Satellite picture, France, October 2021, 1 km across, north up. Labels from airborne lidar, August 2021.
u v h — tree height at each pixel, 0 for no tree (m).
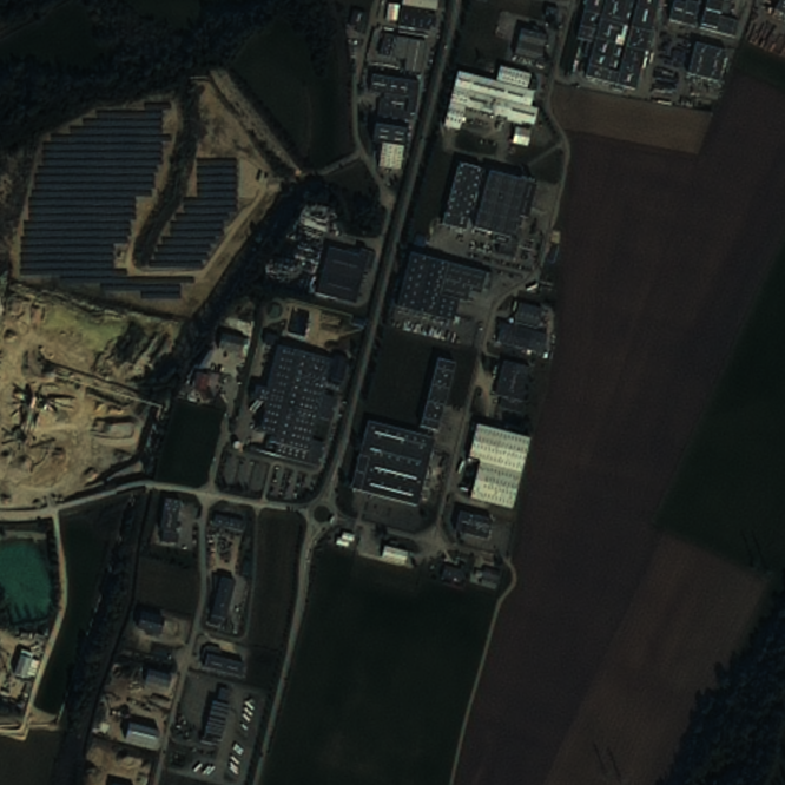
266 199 0
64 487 0
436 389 0
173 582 0
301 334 0
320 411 0
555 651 0
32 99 19
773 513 0
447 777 0
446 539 0
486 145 0
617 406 0
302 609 0
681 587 0
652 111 0
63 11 0
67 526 0
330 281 0
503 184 0
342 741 0
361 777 0
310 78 0
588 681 0
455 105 0
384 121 0
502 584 0
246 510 0
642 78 0
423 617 0
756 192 0
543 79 0
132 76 7
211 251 0
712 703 9
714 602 0
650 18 0
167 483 0
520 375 0
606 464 0
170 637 0
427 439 0
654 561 0
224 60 13
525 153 0
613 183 0
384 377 0
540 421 0
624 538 0
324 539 0
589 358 0
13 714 11
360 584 0
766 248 0
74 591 0
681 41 0
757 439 0
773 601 0
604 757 0
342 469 0
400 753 0
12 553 0
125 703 0
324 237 0
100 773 0
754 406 0
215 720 0
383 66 0
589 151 0
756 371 0
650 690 0
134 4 0
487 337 0
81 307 0
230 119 0
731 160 0
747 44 0
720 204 0
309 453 0
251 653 0
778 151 0
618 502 0
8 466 0
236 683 0
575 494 0
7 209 0
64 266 0
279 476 0
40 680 0
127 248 0
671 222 0
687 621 0
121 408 0
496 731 0
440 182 0
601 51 0
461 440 0
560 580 0
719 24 0
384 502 0
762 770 22
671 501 0
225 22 23
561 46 0
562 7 0
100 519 0
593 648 0
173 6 0
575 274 0
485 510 0
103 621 12
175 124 0
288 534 0
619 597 0
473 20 0
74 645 0
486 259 0
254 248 8
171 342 0
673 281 0
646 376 0
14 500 0
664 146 0
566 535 0
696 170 0
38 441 0
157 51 7
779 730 15
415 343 0
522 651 0
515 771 0
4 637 0
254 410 0
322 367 0
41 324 0
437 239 0
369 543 0
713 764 21
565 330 0
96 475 0
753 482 0
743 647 0
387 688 0
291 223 13
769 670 14
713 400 0
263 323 0
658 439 0
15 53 0
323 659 0
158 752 0
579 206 0
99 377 0
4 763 0
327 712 0
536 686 0
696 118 0
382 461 0
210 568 0
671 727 0
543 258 0
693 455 0
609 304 0
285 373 0
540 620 0
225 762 0
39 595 0
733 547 0
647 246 0
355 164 0
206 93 0
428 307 0
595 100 0
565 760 0
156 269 0
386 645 0
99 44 12
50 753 0
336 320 0
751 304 0
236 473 0
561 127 0
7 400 0
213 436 0
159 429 13
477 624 0
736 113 0
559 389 0
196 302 0
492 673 0
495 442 0
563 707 0
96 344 0
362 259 0
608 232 0
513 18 0
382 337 8
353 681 0
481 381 0
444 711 0
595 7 0
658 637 0
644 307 0
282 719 0
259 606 0
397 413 0
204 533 0
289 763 0
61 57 0
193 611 0
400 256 9
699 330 0
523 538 0
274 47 0
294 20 11
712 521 0
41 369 0
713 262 0
